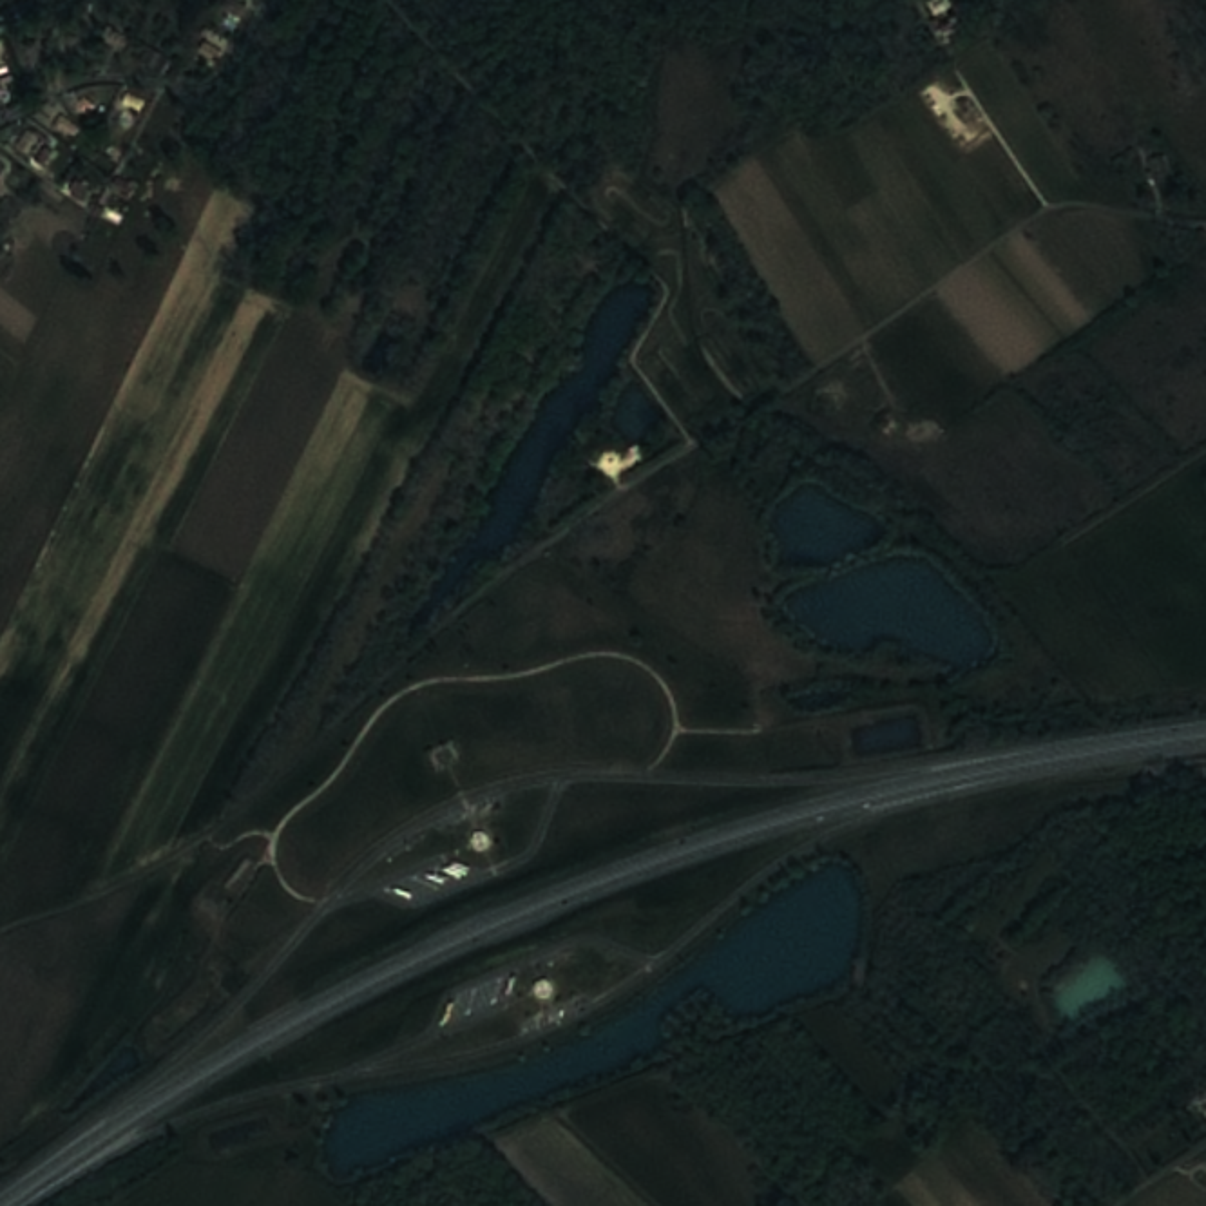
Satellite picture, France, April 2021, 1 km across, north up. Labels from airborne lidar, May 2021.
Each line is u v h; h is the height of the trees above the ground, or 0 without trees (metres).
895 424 0
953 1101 21
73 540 0
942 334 0
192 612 0
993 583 6
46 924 0
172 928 0
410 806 0
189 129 14
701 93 0
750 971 0
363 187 11
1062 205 0
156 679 0
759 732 0
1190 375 0
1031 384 0
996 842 0
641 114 9
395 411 0
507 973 0
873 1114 11
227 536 0
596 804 0
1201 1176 0
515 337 14
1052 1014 11
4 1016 0
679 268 0
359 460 0
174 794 0
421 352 12
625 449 0
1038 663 0
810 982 0
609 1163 0
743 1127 10
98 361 0
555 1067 0
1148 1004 9
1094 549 0
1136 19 0
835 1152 15
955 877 7
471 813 0
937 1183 0
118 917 0
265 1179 0
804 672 0
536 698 0
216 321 0
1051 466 0
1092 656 0
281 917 0
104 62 11
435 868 0
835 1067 10
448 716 0
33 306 0
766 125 13
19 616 0
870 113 19
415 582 10
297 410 0
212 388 0
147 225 0
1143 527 0
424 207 17
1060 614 0
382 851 0
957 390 0
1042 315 0
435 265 19
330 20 12
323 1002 0
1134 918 15
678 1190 0
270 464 0
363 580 12
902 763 0
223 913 0
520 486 0
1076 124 0
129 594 0
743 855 0
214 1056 0
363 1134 0
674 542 0
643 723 0
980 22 19
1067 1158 10
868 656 8
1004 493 0
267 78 16
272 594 0
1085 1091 18
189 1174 0
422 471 15
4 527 0
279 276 22
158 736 0
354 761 0
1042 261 0
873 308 0
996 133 0
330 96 22
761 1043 7
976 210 0
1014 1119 18
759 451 11
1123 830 16
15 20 20
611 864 0
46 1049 0
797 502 0
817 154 0
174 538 0
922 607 0
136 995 0
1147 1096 17
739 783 0
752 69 13
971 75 0
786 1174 13
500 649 0
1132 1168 13
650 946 0
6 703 0
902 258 0
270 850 0
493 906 0
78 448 0
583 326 7
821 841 0
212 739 0
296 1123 0
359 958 0
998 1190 0
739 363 0
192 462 0
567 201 14
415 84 15
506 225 14
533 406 13
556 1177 0
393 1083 0
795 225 0
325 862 0
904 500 7
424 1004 0
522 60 22
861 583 0
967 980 7
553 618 0
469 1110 0
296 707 13
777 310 18
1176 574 0
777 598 8
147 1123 0
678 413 0
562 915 0
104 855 0
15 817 0
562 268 14
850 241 0
